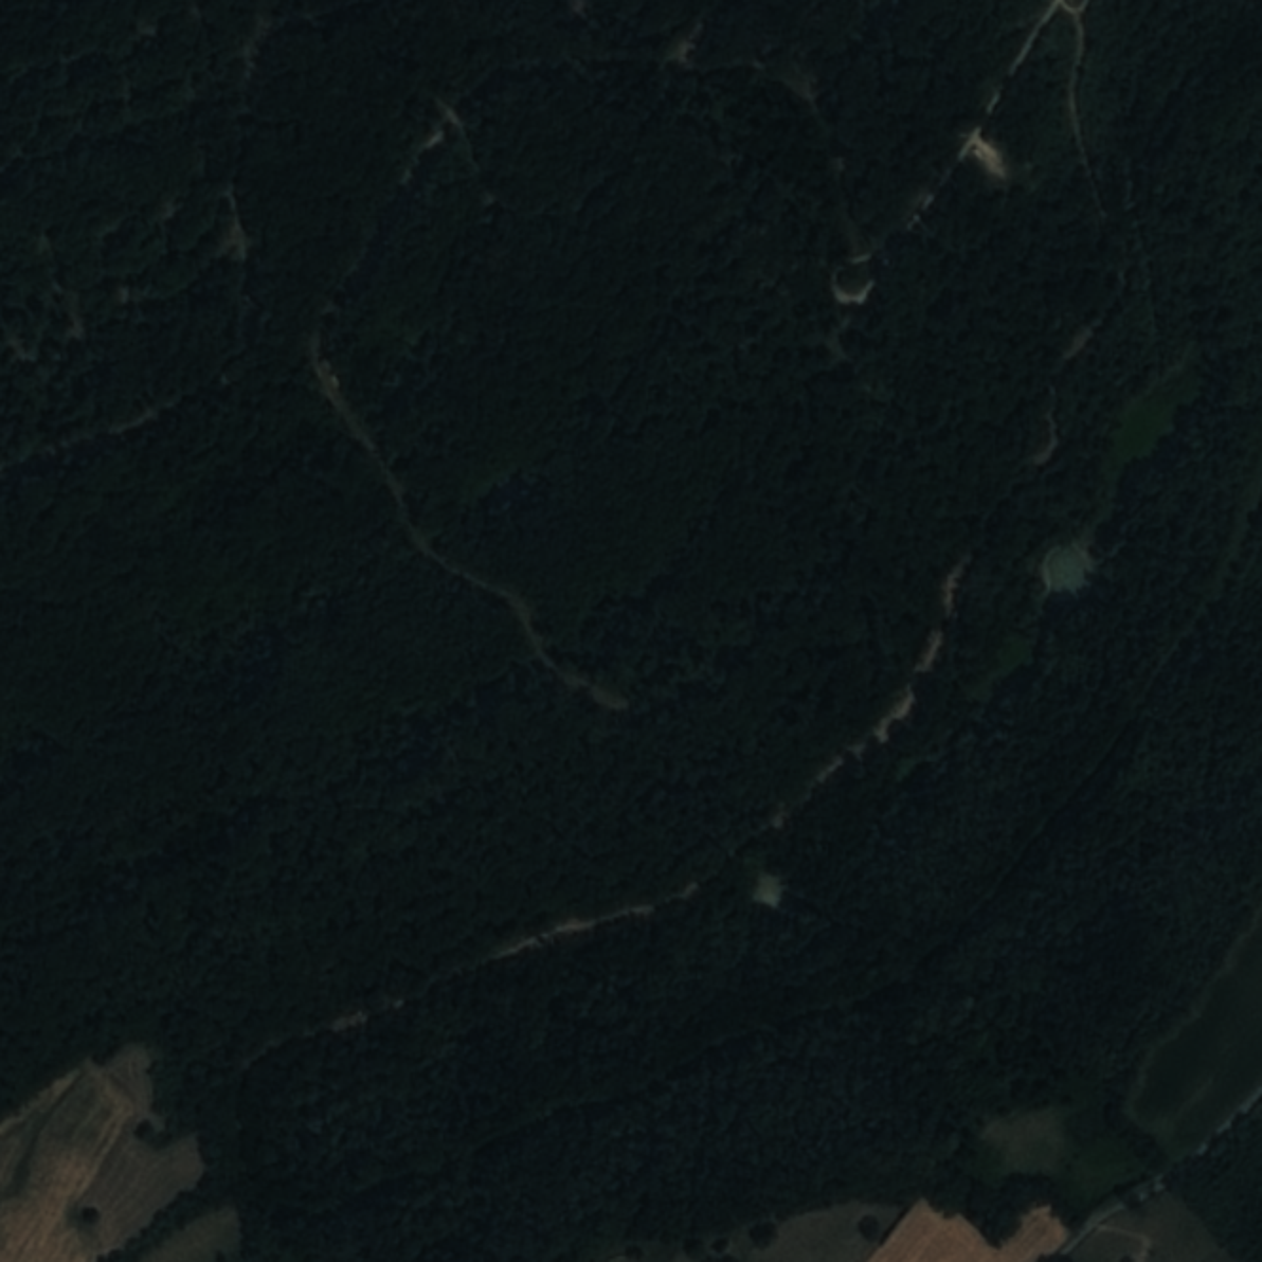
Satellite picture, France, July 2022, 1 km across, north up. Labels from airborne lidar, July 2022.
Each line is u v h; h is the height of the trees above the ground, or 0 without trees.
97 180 17
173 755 24
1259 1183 19
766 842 8
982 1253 0
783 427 23
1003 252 17
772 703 24
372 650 21
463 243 19
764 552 23
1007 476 19
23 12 22
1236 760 16
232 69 16
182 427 19
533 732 26
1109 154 9
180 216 10
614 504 23
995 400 25
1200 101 18
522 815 25
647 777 25
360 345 19
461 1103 25
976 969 23
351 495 22
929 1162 18
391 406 17
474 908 23
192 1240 0
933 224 24
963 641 19
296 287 26
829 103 9
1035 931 24
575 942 9
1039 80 13
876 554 26
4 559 25
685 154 22
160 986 18
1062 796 9
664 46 21
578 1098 11
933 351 24
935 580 22
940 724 23
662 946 27
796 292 23
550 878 26
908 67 29
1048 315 17
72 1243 0
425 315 19
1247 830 23
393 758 15
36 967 28
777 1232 12
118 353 28
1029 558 24
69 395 15
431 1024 22
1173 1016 16
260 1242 18
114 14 17
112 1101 0
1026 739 16
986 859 6
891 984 7
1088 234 19
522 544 29
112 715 22
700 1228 18
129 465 17
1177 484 15
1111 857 24
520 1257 25
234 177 14
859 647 27
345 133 24
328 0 22
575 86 26
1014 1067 7
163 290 20
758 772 28
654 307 18
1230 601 12
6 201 17
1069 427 17
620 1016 20
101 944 28
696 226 22
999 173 0
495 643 22
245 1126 11
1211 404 9
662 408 21
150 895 22
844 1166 29
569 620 19
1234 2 19
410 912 24
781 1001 12
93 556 24
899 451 23
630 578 16
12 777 20
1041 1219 0
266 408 21
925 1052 12
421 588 24
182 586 26
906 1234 0
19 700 17
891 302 26
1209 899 14
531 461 17
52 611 26
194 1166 0
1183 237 15
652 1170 33
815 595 28
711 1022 26
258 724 21
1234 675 26
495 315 26
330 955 23
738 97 8
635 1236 16
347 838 25
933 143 19
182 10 18
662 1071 12
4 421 26
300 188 27
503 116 22
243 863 24
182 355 27
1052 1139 0
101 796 21
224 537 21
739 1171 29
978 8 15
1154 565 13
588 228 23
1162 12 13
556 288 28
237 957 24
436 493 20
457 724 25
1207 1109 0
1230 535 20
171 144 21
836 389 21
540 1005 25
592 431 21
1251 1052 0
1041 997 20
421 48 25
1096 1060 21
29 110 16
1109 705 16
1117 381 14
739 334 25
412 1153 30
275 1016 25
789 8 29
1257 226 7
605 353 23
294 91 21
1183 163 11
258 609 18
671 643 15
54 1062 28
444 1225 17
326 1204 10
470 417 29
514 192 21
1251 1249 15
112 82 16
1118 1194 9
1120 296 13
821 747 23
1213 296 14
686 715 28
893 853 26
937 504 27
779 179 20
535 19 27
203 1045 17
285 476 25
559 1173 25
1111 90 12
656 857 24
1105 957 30
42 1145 0
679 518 21
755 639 27
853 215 8
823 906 23
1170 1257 0
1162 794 11
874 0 18
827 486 22
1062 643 17
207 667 10
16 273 23
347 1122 18
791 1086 31
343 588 21
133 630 26
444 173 15
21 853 21
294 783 23
